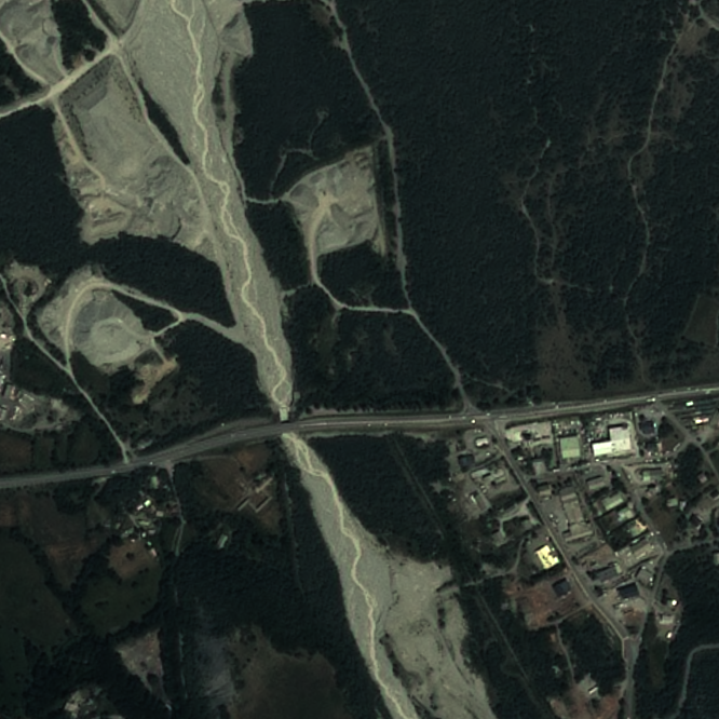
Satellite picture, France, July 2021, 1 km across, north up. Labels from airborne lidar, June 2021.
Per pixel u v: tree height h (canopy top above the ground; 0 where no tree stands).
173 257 6
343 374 7
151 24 0
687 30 0
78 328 0
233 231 0
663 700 9
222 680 0
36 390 9
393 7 6
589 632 6
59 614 0
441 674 0
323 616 9
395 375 7
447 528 8
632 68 7
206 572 6
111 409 6
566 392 0
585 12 7
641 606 0
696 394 0
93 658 16
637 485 0
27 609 0
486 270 6
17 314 8
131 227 0
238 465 0
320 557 7
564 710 0
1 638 0
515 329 7
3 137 7
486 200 6
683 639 8
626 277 6
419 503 8
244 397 6
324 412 0
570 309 9
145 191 0
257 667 0
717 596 8
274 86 7
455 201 8
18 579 0
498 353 6
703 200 6
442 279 6
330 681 0
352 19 6
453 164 7
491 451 0
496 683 6
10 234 6
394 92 6
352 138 7
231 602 10
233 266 0
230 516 8
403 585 0
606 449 0
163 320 6
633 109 6
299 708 0
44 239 6
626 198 6
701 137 6
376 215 0
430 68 6
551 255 10
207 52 0
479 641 6
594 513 8
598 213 7
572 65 6
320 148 6
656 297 8
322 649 8
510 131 6
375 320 7
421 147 6
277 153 7
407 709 0
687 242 7
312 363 8
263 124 8
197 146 0
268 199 5
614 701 0
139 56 0
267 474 8
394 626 0
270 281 0
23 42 0
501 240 6
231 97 0
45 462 0
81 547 0
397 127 6
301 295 8
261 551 7
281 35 8
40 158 6
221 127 0
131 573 0
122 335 0
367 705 8
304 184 0
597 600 0
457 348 6
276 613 12
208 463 0
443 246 7
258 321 0
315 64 6
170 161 0
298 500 9
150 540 7
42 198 7
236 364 6
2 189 6
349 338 8
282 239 7
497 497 0
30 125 7
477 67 6
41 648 7
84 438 0
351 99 6
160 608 13
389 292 8
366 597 0
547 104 6
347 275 7
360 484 6
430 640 0
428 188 7
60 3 6
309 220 0
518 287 8
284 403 0
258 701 0
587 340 6
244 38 0
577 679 8
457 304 6
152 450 10
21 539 9
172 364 0
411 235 8
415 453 7
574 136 6
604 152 6
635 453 0
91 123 0
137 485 10
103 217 0
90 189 0
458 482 0
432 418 0
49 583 12
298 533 9
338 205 0
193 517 10
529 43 7
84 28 6
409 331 8
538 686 6
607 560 0
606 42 6
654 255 6
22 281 0
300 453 0
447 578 0
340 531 0
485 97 7
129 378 9
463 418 0
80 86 0
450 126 6
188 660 6
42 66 0
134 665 0
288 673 0
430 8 6
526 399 10
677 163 6
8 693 0
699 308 0
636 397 0
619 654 7
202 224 0
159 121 8
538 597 0
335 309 9
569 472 0
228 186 0
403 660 0
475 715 0
